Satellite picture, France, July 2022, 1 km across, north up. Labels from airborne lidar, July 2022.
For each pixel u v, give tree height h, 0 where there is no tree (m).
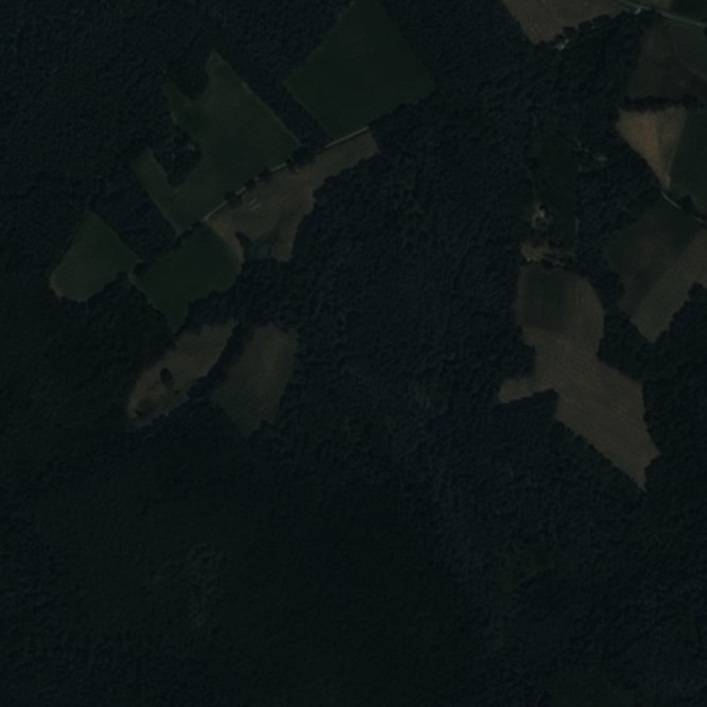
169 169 21
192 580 12
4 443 15
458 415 24
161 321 23
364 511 17
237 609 21
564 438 22
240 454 22
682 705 15
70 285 0
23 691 21
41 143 12
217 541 13
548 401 23
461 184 18
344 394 26
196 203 0
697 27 0
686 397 27
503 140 22
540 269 0
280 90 23
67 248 8
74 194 18
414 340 25
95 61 11
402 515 22
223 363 16
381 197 16
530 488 24
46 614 18
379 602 17
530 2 0
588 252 25
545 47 16
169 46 18
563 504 29
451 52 18
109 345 23
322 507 20
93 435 26
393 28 0
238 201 16
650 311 0
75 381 11
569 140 18
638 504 15
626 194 24
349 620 18
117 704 20
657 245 0
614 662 19
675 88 0
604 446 0
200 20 17
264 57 24
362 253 19
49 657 23
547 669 7
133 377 10
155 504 17
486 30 19
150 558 9
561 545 21
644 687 19
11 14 16
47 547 22
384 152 20
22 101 13
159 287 0
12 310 16
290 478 20
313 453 19
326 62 0
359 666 20
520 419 21
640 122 0
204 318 24
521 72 15
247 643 19
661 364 19
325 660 15
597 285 26
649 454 0
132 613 19
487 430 26
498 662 20
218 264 0
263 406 0
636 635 16
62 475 22
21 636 26
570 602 26
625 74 21
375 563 19
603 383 0
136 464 20
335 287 20
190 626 15
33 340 14
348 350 26
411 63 0
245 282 19
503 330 18
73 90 13
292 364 0
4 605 23
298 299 10
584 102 23
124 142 12
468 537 18
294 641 19
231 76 0
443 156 21
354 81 0
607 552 32
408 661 19
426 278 30
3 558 18
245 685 19
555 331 0
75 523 16
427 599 19
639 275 0
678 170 0
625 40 22
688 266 0
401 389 28
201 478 18
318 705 13
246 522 19
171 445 24
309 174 0
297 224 0
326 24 14
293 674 19
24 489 22
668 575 14
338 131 0
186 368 0
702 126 0
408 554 18
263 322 18
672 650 15
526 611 20
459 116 22
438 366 22
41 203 17
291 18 26
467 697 18
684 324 16
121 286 23
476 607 17
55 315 21
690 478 16
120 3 11
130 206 27
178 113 0
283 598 17
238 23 20
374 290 27
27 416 15
